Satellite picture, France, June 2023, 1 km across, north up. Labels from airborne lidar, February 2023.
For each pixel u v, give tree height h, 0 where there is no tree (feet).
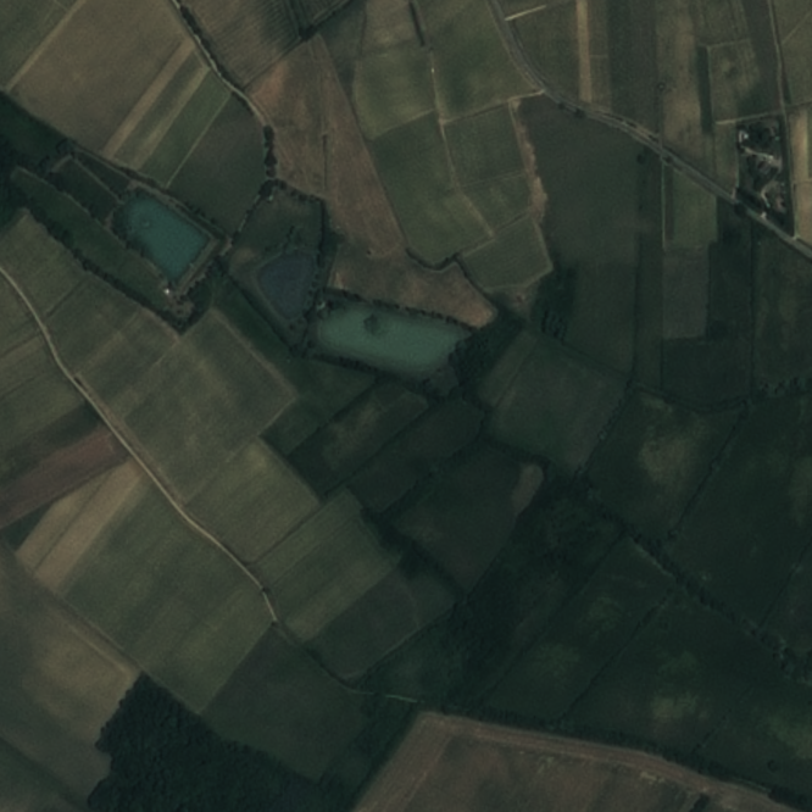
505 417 0
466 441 0
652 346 0
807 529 0
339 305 30
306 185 0
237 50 0
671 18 0
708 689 0
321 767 0
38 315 0
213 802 60
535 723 20
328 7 0
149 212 0
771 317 0
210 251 0
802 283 0
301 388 0
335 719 0
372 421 0
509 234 0
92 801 36
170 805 57
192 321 36
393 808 0
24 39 0
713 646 0
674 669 0
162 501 0
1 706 0
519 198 0
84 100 0
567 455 0
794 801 40
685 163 0
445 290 0
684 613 0
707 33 0
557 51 0
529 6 0
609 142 0
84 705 0
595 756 0
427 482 20
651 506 0
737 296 0
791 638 0
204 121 0
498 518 0
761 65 0
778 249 0
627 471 0
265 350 0
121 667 0
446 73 0
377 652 0
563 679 0
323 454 0
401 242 0
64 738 0
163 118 0
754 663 0
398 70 0
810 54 0
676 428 0
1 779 0
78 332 0
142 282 0
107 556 0
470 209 0
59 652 0
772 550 0
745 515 0
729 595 0
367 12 0
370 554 0
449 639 24
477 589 18
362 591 0
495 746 0
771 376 0
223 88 0
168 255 0
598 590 0
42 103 0
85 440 0
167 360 0
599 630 0
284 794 27
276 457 0
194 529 0
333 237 45
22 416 0
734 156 0
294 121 0
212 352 0
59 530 0
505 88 0
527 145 0
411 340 0
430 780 0
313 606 0
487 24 0
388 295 0
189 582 0
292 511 0
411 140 0
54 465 0
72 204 0
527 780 0
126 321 0
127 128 0
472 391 22
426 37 0
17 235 0
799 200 0
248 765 35
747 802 0
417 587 0
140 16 0
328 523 0
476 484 0
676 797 0
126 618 0
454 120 0
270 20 0
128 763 58
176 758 48
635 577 0
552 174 0
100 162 0
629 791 0
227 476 0
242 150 0
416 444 0
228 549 0
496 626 22
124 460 0
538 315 0
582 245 0
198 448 0
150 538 0
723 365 0
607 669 20
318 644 0
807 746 0
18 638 0
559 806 0
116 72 0
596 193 0
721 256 0
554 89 0
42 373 0
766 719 0
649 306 0
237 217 0
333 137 0
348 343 0
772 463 0
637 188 0
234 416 0
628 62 0
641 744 23
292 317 0
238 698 0
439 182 0
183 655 0
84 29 0
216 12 0
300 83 0
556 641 0
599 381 0
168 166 0
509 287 0
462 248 0
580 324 0
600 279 0
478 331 23
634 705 0
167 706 35
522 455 20
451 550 0
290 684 0
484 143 0
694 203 0
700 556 0
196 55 0
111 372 0
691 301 0
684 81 0
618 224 0
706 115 0
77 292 0
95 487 0
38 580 0
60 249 0
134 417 0
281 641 0
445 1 0
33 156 0
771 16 0
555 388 0
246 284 0
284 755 0
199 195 0
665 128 0
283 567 0
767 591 0
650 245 0
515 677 0
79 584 0
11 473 0
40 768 0
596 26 0
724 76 0
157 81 0
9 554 0
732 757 0
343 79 0
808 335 0
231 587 0
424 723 0
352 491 20
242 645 0
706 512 0
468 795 0
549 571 0
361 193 0
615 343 0
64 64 0
